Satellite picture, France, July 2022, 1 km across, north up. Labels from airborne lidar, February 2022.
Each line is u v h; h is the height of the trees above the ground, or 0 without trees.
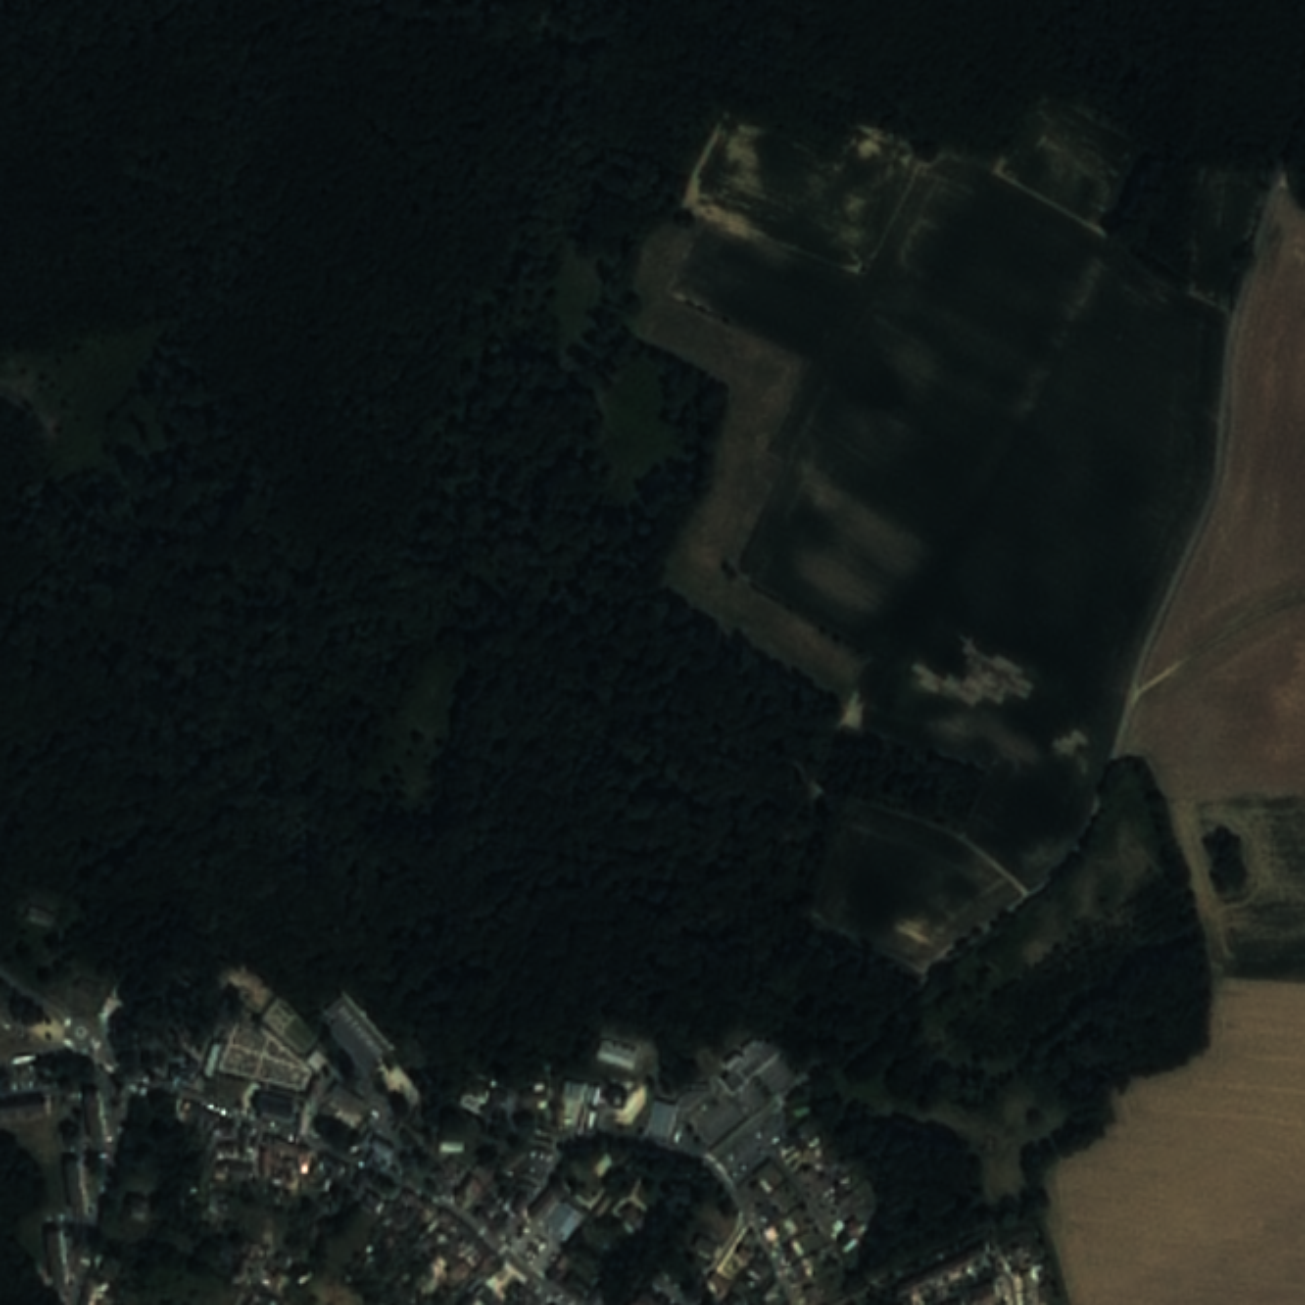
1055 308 0
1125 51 22
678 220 14
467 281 21
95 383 0
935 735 0
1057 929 0
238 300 22
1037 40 19
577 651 24
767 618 0
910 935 0
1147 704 0
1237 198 0
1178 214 18
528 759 28
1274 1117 0
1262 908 0
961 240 0
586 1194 9
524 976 30
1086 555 0
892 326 0
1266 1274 0
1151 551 0
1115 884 0
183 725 14
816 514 0
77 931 8
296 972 24
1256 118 16
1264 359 0
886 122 16
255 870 33
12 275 19
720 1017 24
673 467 0
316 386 22
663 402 0
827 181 0
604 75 22
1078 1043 20
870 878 0
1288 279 0
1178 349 0
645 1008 24
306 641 25
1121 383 0
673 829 27
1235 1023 0
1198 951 18
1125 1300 0
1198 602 0
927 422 0
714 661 24
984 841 0
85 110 24
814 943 24
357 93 22
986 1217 18
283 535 25
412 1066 0
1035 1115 11
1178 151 17
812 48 21
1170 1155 0
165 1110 12
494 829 20
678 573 0
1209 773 0
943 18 15
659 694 25
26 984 0
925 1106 19
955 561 0
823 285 0
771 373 0
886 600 0
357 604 25
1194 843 0
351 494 24
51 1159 0
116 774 29
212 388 23
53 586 24
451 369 22
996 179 0
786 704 27
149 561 28
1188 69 22
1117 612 0
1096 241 0
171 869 26
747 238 0
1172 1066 14
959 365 0
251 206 27
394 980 22
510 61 28
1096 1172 0
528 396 25
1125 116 20
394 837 29
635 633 26
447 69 26
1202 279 0
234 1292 0
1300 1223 0
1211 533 0
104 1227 7
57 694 30
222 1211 0
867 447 0
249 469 14
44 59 25
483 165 24
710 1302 13
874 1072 17
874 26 17
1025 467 0
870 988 18
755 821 28
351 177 25
